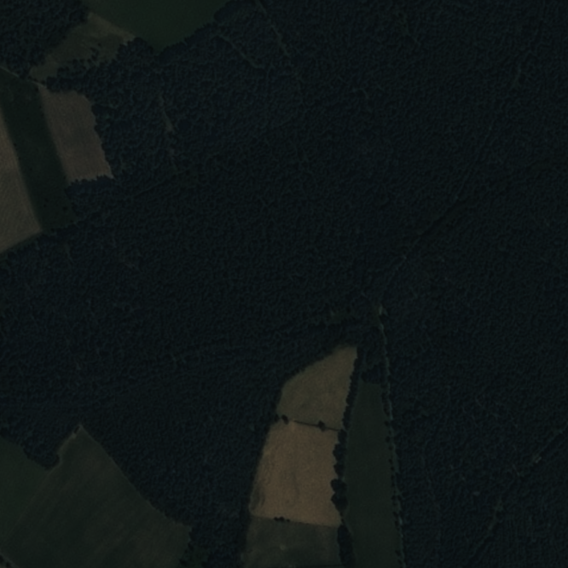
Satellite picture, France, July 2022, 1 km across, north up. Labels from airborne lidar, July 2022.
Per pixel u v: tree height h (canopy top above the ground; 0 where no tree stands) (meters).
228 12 21
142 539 0
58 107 0
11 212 0
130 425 17
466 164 18
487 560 16
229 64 27
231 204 14
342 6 25
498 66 21
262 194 19
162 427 17
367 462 0
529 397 22
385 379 23
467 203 14
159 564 0
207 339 19
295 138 21
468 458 15
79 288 19
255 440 23
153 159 26
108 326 21
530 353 18
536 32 10
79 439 0
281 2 28
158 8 0
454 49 23
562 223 21
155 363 17
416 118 27
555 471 15
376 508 0
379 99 22
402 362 18
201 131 25
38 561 0
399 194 17
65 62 0
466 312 22
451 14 15
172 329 10
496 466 20
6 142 0
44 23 21
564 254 19
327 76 20
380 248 23
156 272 19
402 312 25
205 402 18
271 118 26
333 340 19
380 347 26
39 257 21
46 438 23
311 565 0
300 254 17
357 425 0
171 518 8
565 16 21
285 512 0
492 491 23
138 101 26
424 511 19
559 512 22
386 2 29
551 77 21
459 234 16
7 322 20
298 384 0
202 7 0
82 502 0
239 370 21
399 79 14
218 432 21
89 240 26
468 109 18
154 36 0
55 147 0
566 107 16
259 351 22
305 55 22
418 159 20
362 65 24
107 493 0
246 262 17
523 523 12
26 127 0
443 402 18
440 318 13
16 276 19
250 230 19
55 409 24
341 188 19
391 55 19
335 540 0
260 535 0
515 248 23
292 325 17
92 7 0
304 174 22
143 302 20
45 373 21
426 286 20
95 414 19
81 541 0
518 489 18
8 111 0
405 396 14
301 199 12
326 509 0
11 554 0
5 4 15
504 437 19
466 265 22
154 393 16
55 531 0
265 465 0
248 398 19
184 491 21
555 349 19
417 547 20
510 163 17
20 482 0
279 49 13
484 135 18
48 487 0
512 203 22
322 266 10
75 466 0
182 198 17
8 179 0
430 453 20
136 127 25
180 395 16
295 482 0
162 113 22
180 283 20
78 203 19
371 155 22
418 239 11
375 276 20
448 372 16
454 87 22
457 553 22
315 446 0
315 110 22
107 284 21
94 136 0
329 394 0
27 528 0
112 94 25
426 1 20
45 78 0
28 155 0
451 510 19
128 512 0
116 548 0
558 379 21
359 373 19
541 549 11
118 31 0
